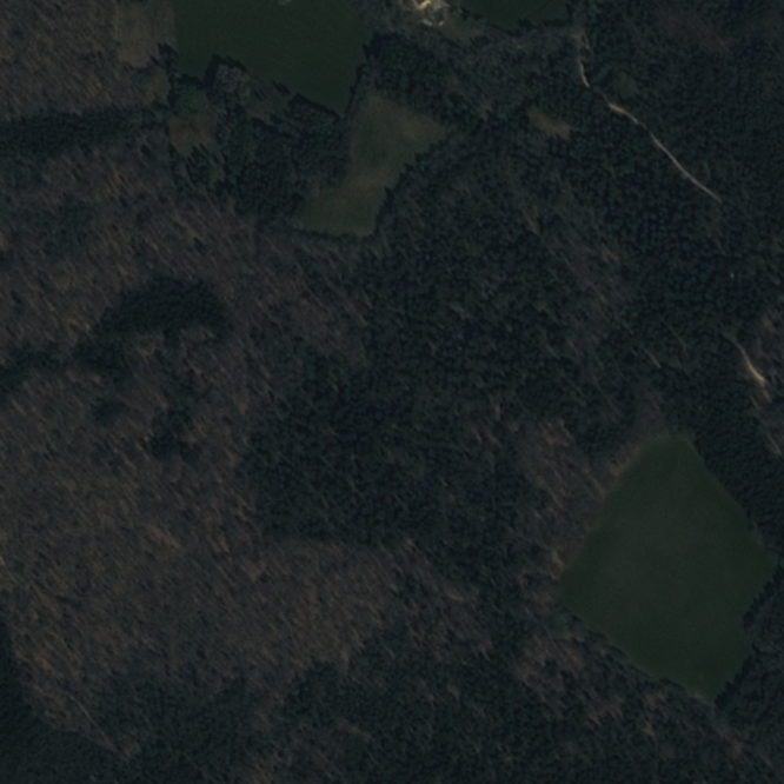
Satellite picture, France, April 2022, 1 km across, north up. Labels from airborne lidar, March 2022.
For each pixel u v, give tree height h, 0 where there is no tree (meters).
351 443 30
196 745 24
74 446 27
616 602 0
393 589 24
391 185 0
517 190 22
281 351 31
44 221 22
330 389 24
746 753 25
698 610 0
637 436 27
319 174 28
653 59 23
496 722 22
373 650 23
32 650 25
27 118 20
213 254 24
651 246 28
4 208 24
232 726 21
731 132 20
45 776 15
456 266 31
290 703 18
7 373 22
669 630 0
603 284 21
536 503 23
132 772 24
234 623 22
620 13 26
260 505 26
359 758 14
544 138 22
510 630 22
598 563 0
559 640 33
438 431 29
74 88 25
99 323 26
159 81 22
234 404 30
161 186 28
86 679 26
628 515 0
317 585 25
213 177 29
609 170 28
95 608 26
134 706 20
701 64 21
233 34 0
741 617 0
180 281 27
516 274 28
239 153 32
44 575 24
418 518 32
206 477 26
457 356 36
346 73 0
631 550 0
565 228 32
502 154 13
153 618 21
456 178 28
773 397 20
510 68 28
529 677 30
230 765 17
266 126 0
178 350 22
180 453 27
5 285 24
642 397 26
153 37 0
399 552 23
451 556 32
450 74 35
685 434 21
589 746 20
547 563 26
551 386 23
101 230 23
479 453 25
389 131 0
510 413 16
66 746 13
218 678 21
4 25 29
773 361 26
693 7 25
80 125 21
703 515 0
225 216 22
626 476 0
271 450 30
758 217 20
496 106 23
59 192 22
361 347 26
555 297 31
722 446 33
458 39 0
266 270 27
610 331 25
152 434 26
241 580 25
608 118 30
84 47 28
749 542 0
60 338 24
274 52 0
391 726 29
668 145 24
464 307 22
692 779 19
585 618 0
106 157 24
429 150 0
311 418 25
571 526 29
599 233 23
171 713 25
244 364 31
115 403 25
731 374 29
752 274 24
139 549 22
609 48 29
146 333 28
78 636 28
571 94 16
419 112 16
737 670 0
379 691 23
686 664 0
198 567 24
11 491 22
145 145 28
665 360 30
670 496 0
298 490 34
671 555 0
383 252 26
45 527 21
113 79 26
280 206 27
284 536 28
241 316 25
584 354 23
